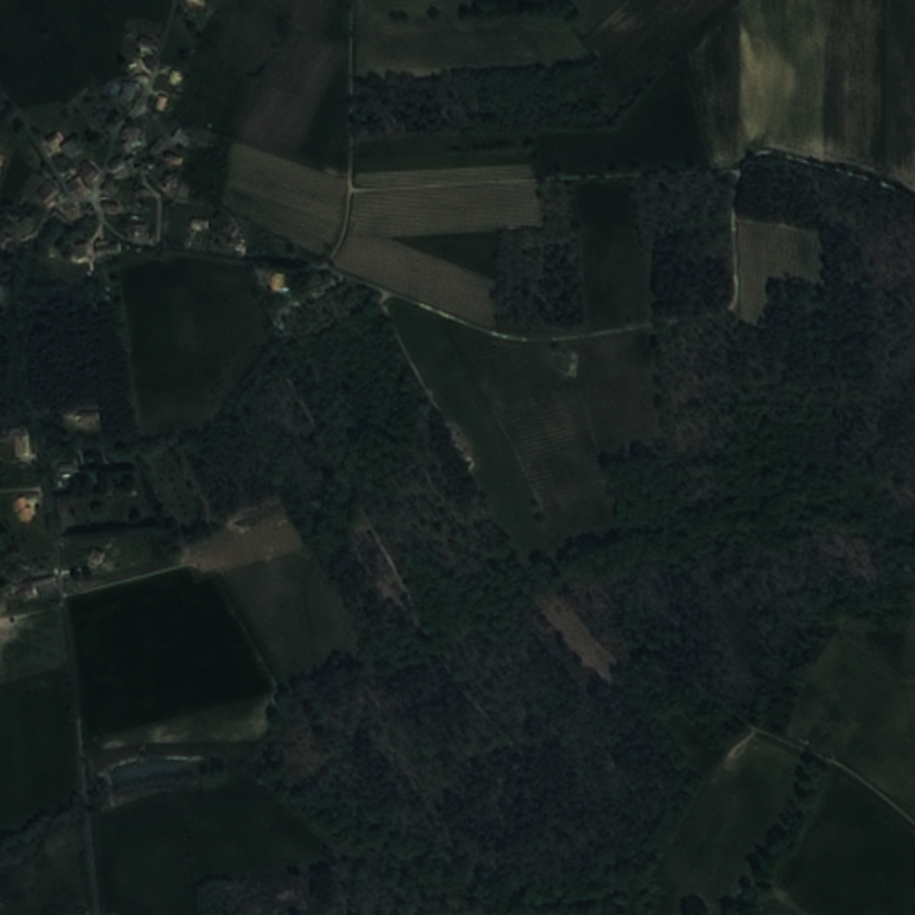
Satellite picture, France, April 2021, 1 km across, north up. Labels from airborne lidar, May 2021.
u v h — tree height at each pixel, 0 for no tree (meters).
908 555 26
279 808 0
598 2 0
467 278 0
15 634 0
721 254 9
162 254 15
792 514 11
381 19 0
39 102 0
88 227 14
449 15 0
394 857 22
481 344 0
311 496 12
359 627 15
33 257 11
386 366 15
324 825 21
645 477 19
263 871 0
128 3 0
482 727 15
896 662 0
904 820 0
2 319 12
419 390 10
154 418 0
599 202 0
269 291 5
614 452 0
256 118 0
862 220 13
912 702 0
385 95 13
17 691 0
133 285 0
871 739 0
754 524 22
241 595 0
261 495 23
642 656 8
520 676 11
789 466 9
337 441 21
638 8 0
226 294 0
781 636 17
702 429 11
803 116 0
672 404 13
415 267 0
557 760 21
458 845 12
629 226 0
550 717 18
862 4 0
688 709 18
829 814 0
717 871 0
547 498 0
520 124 7
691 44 0
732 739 10
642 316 0
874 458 9
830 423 6
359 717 10
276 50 7
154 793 0
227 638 0
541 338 0
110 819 0
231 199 0
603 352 0
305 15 0
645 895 16
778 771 0
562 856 18
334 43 0
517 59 0
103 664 0
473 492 21
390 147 0
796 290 24
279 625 0
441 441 19
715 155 0
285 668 0
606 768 15
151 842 0
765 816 0
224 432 17
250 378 15
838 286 24
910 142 0
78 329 16
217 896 14
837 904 0
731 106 0
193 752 0
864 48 0
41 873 0
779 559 14
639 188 6
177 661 0
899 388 12
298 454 19
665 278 15
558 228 7
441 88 10
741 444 19
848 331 28
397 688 21
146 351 0
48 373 16
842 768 0
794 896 0
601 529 0
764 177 16
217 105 0
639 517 17
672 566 14
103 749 0
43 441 11
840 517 15
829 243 21
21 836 10
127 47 0
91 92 0
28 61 0
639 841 25
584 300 8
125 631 0
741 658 0
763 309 0
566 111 11
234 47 0
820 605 21
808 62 0
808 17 0
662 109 0
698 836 0
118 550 0
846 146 0
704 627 24
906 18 0
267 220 0
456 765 18
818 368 30
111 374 16
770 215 16
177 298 0
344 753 14
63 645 0
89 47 0
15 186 0
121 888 0
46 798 0
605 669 0
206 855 0
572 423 0
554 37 0
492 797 18
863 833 0
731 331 14
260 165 0
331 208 0
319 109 0
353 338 8
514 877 21
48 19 0
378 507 22
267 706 0
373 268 0
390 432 18
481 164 0
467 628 23
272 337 9
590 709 12
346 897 15
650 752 14
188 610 0
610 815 24
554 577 25
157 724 0
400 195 0
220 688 0
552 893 19
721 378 15
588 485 0
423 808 22
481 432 0
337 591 12
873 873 0
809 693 0
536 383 0
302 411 15
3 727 0
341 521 26
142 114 0
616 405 0
